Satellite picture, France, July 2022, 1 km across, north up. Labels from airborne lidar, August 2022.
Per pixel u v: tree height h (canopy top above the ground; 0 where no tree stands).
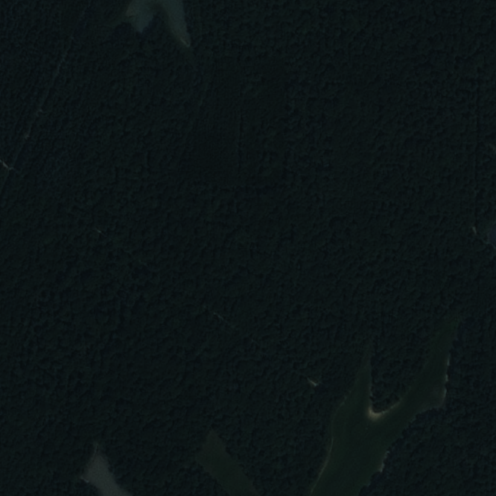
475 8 27
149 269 24
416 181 26
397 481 23
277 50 17
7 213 22
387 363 18
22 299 23
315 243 25
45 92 18
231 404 28
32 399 21
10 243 28
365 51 23
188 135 16
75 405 25
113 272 18
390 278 23
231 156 16
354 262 25
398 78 21
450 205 28
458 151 15
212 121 14
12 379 21
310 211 23
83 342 24
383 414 0
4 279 25
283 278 25
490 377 21
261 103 11
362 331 25
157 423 23
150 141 23
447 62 25
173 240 28
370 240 25
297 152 23
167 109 25
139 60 22
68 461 22
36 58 15
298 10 21
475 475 24
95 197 25
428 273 22
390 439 0
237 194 24
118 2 26
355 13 27
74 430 29
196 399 23
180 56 22
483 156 22
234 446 25
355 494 0
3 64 23
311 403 21
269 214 22
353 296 20
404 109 22
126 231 20
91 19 19
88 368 21
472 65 22
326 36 24
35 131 15
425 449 24
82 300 20
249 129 12
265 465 23
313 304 20
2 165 22
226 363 23
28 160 19
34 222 20
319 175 26
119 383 24
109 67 19
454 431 27
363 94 23
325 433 20
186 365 25
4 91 24
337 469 0
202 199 15
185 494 18
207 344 19
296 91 21
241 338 16
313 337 23
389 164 24
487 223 18
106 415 26
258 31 19
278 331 20
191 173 22
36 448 23
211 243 24
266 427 23
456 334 0
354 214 24
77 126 22
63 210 27
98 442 23
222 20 24
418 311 26
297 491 20
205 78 23
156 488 25
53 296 22
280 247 28
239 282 26
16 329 19
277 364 26
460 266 26
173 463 25
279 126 11
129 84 23
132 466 25
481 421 25
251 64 14
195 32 20
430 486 20
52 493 25
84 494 27
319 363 22
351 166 22
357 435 0
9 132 25
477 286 24
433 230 24
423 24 23
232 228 20
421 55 22
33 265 23
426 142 27
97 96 17
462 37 25
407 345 18
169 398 23
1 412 16
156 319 17
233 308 20
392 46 20
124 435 23
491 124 26
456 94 25
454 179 24
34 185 15
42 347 16
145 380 18
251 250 10
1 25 33
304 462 24
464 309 18
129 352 25
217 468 0
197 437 21
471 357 23
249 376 25
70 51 16
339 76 23
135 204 17
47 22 22
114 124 22
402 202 17
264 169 25
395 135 15
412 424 10
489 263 10
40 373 21
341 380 25
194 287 24
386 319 20
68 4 12
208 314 21
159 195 23
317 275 23
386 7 20
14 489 21
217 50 20
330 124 26
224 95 18
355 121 23
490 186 15
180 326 23
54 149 11
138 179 21
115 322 24
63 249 16
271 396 22
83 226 24
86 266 19
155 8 0
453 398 10
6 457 21
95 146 21
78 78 19
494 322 26
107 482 0
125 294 19
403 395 20
